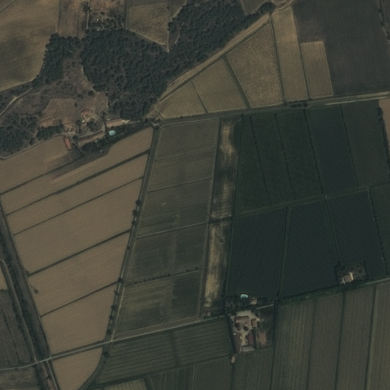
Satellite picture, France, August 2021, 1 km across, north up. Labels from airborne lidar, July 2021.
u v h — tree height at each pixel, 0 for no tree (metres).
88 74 14
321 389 0
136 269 0
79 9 0
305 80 0
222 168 0
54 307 0
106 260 0
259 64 0
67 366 0
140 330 0
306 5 0
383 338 0
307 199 0
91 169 0
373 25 0
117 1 0
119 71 17
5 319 5
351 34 0
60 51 17
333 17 0
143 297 0
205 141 0
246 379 0
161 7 0
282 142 6
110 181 0
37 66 0
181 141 0
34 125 11
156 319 0
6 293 0
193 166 0
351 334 0
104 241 0
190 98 0
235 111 0
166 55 14
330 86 0
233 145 0
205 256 0
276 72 0
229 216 6
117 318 0
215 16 13
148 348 0
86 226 0
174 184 0
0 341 0
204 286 0
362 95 0
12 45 0
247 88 0
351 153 6
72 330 0
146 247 0
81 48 17
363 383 0
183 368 0
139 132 0
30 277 0
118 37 10
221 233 0
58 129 16
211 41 13
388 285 0
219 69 0
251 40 0
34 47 0
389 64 0
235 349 10
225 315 8
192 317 0
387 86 0
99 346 0
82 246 0
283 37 0
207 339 0
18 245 0
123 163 0
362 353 0
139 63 12
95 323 0
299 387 0
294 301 11
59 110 0
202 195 0
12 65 0
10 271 6
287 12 0
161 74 18
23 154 0
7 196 0
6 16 0
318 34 0
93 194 0
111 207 0
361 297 0
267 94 0
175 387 0
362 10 0
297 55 0
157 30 0
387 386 0
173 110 0
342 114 6
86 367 0
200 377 0
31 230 0
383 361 0
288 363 0
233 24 13
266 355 0
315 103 0
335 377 0
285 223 6
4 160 0
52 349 0
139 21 0
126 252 0
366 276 8
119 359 0
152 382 0
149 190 0
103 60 15
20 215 0
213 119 0
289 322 0
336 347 0
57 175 0
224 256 0
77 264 0
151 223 0
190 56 15
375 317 0
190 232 0
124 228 0
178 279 0
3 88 0
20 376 0
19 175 0
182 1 0
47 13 0
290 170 7
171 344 0
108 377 0
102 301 0
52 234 0
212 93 0
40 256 0
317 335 0
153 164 0
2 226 0
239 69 0
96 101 0
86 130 0
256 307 10
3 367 0
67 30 0
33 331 7
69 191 0
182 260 0
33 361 11
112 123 0
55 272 0
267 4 14
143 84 15
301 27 0
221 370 0
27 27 0
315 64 0
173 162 0
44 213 0
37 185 0
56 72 14
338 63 0
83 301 0
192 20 9
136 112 8
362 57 0
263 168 8
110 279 0
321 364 0
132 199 0
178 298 0
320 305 0
